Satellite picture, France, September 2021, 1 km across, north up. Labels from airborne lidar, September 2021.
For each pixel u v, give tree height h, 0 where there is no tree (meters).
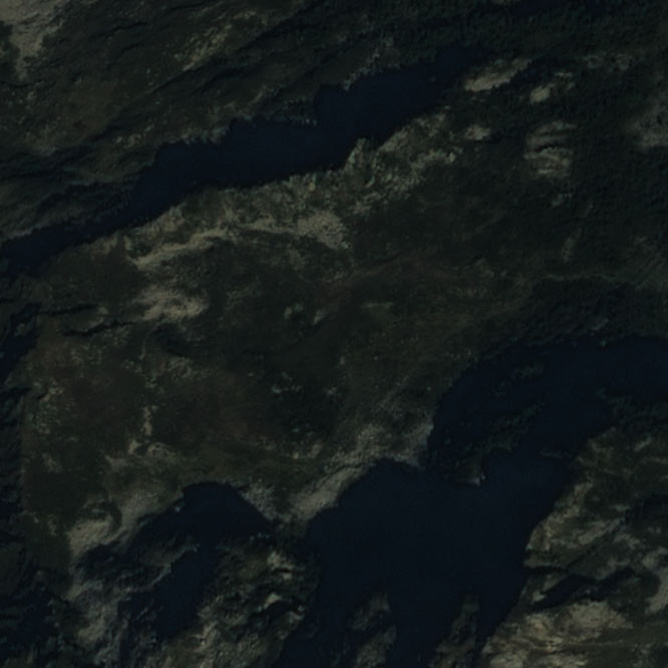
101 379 0
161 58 0
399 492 0
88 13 0
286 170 6
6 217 0
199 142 0
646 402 20
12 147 0
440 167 0
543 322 6
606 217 8
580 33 7
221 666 0
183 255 0
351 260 0
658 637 0
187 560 0
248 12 0
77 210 0
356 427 0
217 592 0
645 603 0
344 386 0
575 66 10
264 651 0
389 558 0
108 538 0
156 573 0
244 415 0
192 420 0
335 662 0
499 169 0
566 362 6
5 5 0
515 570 7
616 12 11
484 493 0
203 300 0
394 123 6
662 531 0
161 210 9
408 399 0
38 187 0
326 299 0
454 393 0
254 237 0
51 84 0
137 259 0
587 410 5
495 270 0
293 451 0
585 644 0
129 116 0
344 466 0
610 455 0
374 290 0
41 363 0
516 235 0
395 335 0
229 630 0
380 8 6
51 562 0
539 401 15
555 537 0
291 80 0
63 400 0
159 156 0
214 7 0
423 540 0
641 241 0
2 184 0
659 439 0
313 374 0
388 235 0
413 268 0
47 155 0
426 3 7
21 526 0
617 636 0
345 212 0
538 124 8
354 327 0
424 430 0
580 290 10
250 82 0
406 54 7
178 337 0
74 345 0
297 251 0
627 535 0
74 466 0
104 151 0
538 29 7
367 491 0
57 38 0
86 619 0
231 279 0
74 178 0
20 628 0
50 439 0
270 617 8
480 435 7
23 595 0
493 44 6
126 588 0
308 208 0
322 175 10
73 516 0
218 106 0
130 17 0
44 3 0
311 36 6
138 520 0
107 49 0
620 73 6
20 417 0
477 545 0
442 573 7
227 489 0
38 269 0
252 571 0
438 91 7
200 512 0
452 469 6
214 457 0
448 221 0
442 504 0
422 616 0
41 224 0
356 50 0
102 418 0
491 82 0
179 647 0
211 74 0
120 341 0
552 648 0
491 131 0
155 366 0
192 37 0
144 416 0
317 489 0
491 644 0
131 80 0
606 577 0
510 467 0
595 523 0
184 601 0
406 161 0
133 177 0
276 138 0
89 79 0
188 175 10
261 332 0
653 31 7
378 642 0
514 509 0
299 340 0
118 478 0
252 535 8
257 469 0
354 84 0
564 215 10
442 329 0
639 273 0
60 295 0
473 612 0
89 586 0
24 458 0
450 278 0
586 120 12
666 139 0
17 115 0
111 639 0
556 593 0
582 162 6
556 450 8
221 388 0
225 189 7
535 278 0
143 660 0
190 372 0
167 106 0
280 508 0
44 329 0
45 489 0
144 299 0
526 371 8
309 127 0
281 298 0
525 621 0
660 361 0
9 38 0
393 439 0
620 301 10
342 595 6
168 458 0
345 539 0
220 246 0
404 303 0
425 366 0
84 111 0
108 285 0
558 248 0
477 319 0
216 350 0
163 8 0
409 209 0
